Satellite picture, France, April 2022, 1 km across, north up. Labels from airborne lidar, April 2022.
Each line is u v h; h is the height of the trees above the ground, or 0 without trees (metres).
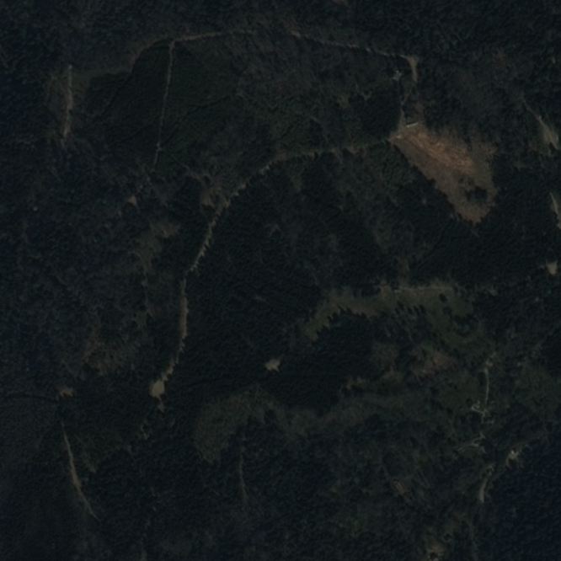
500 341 22
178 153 10
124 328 14
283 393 16
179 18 26
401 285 20
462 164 0
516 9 31
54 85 8
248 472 19
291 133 21
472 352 22
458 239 16
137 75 9
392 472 29
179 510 24
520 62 33
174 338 18
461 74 34
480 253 21
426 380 27
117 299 24
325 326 0
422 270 15
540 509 29
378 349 13
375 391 25
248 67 27
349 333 19
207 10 19
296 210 21
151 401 19
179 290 22
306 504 28
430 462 10
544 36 30
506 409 26
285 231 21
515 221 20
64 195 31
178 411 16
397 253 26
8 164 30
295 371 21
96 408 20
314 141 17
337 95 9
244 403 8
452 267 17
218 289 31
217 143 22
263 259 18
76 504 23
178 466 18
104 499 26
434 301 0
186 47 6
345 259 20
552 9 21
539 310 25
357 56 16
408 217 17
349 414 13
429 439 27
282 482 17
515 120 32
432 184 17
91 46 26
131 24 21
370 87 14
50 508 19
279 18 33
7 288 22
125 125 11
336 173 17
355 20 31
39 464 8
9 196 27
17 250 26
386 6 30
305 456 21
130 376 27
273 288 20
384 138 15
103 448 10
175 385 13
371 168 12
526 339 28
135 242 8
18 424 20
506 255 24
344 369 20
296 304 19
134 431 16
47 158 33
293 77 16
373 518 28
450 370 24
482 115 32
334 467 29
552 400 19
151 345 22
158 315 19
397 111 25
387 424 25
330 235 17
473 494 18
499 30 28
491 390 11
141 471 17
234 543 19
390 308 0
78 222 25
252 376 17
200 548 6
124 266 26
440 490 19
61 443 11
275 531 25
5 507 16
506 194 26
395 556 25
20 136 33
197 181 14
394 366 16
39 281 27
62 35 27
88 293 22
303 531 26
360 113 14
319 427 24
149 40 21
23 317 21
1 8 25
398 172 17
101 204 30
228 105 9
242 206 21
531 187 21
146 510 24
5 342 25
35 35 23
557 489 18
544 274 14
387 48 17
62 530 19
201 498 21
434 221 18
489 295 20
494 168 26
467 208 0
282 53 31
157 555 13
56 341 25
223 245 21
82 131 6
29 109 33
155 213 19
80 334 21
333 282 22
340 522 28
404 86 21
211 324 22
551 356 22
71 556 14
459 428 17
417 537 28
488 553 28
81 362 20
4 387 21
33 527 18
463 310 0
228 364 23
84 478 8
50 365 20
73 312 26
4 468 18
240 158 19
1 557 15
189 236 22
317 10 32
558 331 21
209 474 23
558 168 29
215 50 7
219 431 10
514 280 19
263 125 18
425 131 0
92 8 27
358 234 20
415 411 25
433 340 33
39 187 26
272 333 32
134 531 20
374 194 29
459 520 14
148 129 10
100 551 21
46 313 23
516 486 27
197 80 11
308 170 18
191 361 23
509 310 22
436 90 29
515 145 26
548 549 30
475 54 32
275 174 25
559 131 11
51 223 25
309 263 23
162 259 23
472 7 32
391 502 24
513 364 28
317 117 19
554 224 24
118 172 29
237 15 27
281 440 31
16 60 25
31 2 29
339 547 29
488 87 38
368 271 20
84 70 26
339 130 25
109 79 10
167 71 8
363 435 30
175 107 8
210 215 20
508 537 25
